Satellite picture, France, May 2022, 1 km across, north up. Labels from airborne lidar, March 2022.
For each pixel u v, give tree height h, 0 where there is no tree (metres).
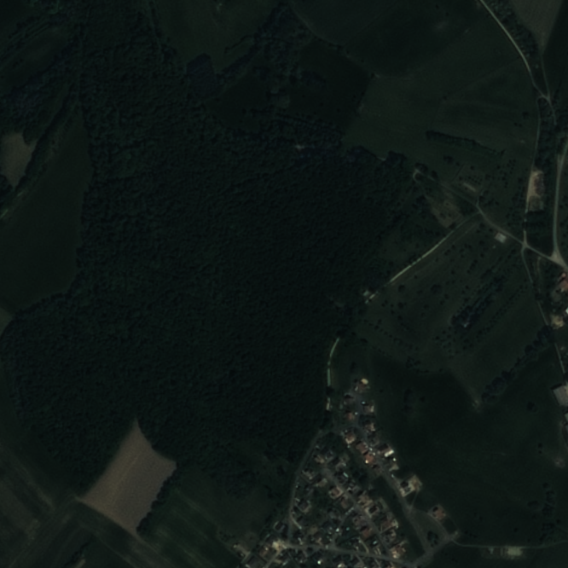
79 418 24
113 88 22
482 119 0
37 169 10
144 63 32
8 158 0
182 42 0
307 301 22
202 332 22
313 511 0
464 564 0
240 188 23
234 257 18
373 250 16
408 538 0
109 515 0
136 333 22
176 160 25
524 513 0
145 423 17
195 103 24
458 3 0
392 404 0
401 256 0
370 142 0
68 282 0
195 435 19
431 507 0
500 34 0
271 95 16
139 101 31
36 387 18
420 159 0
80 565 0
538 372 0
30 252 0
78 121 0
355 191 25
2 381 0
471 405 0
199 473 0
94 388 24
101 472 10
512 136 0
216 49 0
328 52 0
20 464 0
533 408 14
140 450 0
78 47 16
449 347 6
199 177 23
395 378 0
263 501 0
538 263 0
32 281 0
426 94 0
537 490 0
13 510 0
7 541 0
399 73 0
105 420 22
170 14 0
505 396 0
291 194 20
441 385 0
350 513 0
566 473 0
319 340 26
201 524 0
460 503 0
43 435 18
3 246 0
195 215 22
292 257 16
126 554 0
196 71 22
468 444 0
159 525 0
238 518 0
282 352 19
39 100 20
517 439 0
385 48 0
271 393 20
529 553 0
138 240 24
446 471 0
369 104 0
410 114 0
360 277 23
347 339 20
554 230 0
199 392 20
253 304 22
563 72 0
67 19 17
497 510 0
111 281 23
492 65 0
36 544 0
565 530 0
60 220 0
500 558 0
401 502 0
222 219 22
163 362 22
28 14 0
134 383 20
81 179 0
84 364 24
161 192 24
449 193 0
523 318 0
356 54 0
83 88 24
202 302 21
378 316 0
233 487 23
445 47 0
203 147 28
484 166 0
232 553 0
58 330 22
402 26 0
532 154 0
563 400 0
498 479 0
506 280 7
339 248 19
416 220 0
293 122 11
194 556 0
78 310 19
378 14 0
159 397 23
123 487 0
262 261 21
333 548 0
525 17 0
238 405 16
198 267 21
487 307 12
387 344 0
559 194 0
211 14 0
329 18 0
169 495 9
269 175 25
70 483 0
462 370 0
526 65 0
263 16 0
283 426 25
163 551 0
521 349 0
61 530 0
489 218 0
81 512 0
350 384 0
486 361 0
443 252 0
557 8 0
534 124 0
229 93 0
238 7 0
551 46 0
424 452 0
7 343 10
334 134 14
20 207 0
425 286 0
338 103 0
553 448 0
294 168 26
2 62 8
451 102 0
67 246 0
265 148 27
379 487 0
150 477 0
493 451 0
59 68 18
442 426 0
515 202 11
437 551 0
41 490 0
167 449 17
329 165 27
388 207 14
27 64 0
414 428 0
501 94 0
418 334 0
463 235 0
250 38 7
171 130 31
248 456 0
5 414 0
